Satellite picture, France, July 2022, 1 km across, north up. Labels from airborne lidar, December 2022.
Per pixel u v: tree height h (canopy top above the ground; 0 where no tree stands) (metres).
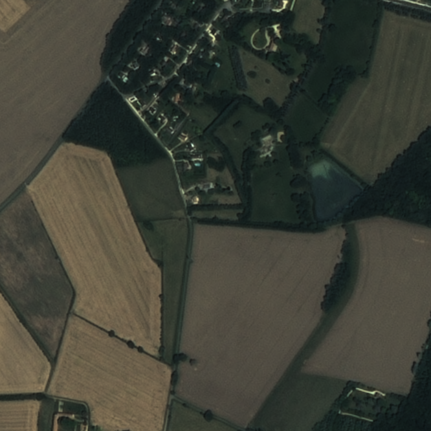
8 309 0
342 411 9
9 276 0
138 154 17
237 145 0
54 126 0
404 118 0
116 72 11
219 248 0
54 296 0
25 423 0
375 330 0
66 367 0
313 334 0
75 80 0
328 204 0
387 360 0
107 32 0
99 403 0
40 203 0
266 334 0
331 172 0
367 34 0
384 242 0
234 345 0
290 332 0
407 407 17
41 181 0
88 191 0
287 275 0
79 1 0
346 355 0
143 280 0
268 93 0
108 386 0
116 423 0
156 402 0
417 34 0
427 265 0
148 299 0
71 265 0
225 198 0
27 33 0
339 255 0
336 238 0
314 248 0
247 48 12
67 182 0
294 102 10
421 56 0
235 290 0
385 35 0
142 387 0
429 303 0
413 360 0
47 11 0
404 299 0
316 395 0
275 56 20
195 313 0
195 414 0
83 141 17
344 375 0
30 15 0
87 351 0
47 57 0
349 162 0
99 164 0
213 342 0
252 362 0
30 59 0
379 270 0
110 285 0
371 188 12
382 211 8
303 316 0
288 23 16
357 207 19
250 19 12
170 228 0
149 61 19
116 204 0
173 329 0
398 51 0
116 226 0
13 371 0
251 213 12
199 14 17
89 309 0
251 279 0
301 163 17
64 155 0
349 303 0
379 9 7
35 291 0
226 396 0
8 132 0
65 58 0
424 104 0
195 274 0
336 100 17
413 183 16
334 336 0
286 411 0
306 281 0
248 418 0
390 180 19
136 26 13
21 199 0
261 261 0
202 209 9
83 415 10
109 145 15
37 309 0
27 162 0
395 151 0
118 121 19
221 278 0
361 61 0
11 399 10
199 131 11
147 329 0
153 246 0
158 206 0
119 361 0
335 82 17
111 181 0
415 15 8
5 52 0
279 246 0
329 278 0
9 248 0
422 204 13
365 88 0
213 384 0
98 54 0
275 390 0
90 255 0
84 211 0
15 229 0
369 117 0
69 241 0
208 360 0
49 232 0
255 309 0
